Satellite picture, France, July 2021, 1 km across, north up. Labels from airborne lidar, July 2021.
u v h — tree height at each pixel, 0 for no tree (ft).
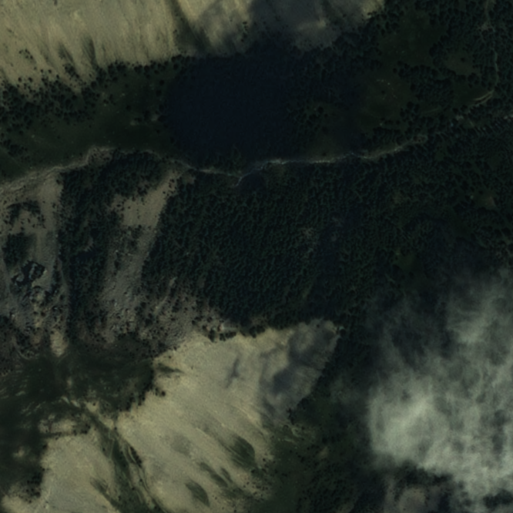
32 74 0
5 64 0
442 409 69
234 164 70
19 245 22
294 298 42
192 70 34
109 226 20
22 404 0
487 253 66
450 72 75
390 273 95
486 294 82
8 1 0
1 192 0
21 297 0
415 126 32
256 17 0
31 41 0
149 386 25
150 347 22
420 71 74
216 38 0
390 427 68
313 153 0
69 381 0
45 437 0
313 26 0
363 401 0
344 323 66
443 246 90
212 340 39
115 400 0
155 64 27
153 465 0
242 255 70
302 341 0
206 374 0
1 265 0
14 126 36
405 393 79
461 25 64
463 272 81
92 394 0
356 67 61
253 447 0
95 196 32
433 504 0
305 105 71
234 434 0
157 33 0
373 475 0
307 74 48
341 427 20
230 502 0
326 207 59
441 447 0
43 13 0
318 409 0
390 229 97
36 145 0
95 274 51
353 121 0
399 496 20
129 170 64
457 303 84
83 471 0
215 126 80
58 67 0
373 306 67
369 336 75
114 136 0
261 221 90
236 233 78
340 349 67
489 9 0
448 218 28
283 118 45
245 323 35
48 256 0
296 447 0
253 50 52
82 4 0
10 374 0
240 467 0
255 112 61
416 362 66
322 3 0
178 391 0
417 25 0
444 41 79
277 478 0
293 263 47
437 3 82
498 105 83
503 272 73
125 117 0
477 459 28
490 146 38
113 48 0
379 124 0
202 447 0
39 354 0
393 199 75
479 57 70
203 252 61
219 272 50
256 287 66
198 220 70
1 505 0
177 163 24
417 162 90
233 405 0
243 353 0
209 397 0
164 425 0
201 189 88
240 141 63
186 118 54
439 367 58
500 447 37
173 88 0
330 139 0
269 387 0
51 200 0
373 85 0
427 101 80
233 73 47
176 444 0
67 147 0
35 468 0
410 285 0
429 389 77
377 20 52
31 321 0
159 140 0
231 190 24
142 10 0
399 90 0
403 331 78
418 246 84
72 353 0
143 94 0
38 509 0
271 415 0
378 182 74
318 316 33
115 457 0
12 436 0
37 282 0
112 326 0
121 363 0
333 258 59
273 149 43
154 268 25
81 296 52
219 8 0
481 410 47
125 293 0
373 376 0
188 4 0
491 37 66
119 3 0
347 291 44
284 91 51
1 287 0
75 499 0
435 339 77
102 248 21
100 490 0
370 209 95
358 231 52
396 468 0
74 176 43
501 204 75
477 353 89
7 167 0
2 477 0
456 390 61
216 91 39
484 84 58
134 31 0
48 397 0
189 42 0
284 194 30
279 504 0
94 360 0
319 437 0
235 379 0
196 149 72
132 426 0
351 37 47
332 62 47
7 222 37
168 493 0
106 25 0
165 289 27
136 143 0
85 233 24
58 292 38
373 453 0
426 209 23
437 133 21
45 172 0
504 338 99
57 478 0
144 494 0
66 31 0
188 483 0
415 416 64
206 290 30
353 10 0
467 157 72
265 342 0
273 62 75
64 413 0
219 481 0
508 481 66
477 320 65
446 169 86
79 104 0
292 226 67
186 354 0
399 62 20
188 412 0
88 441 0
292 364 0
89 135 0
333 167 35
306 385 0
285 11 0
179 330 0
